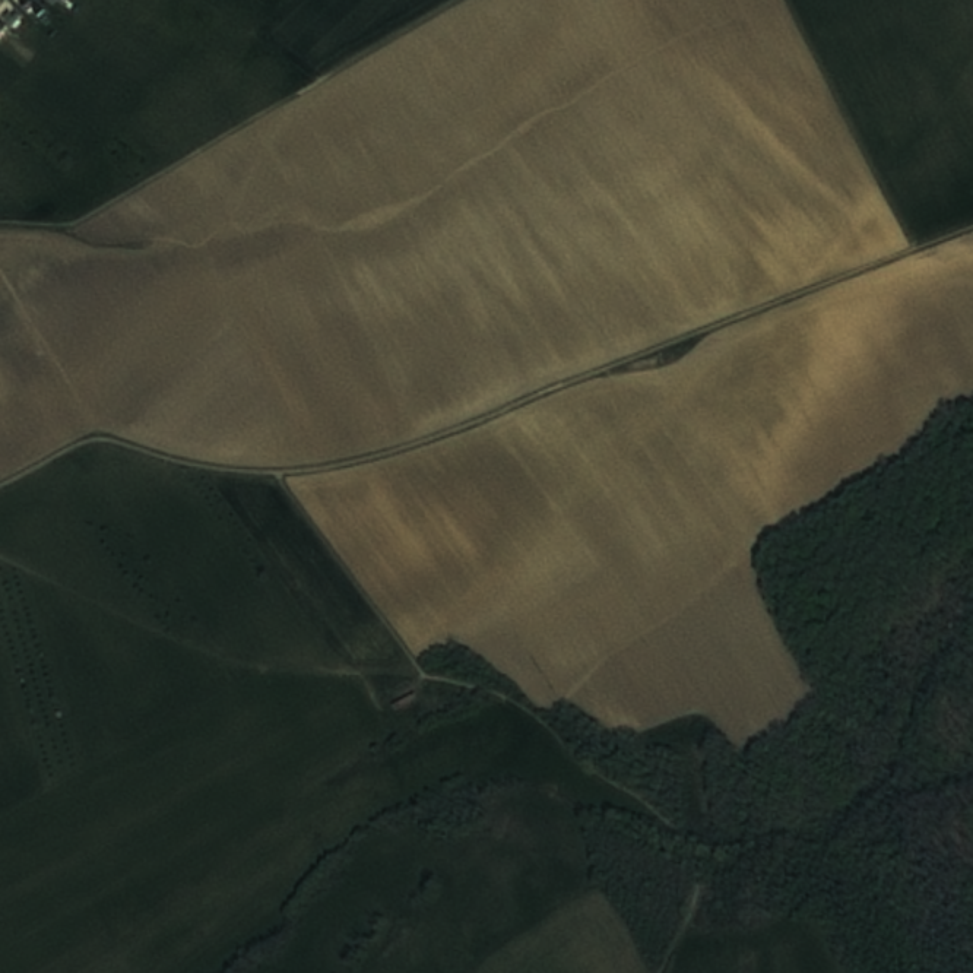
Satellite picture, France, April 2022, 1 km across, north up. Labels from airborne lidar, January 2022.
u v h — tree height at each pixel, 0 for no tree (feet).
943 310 0
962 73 0
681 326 0
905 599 81
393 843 0
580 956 0
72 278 0
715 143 0
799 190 0
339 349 0
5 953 0
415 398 0
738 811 69
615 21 0
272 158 0
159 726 0
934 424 44
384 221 0
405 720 0
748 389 0
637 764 59
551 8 0
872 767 75
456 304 0
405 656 0
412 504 0
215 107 0
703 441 0
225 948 0
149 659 0
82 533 0
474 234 0
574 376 0
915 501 78
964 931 53
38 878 0
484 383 0
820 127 0
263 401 0
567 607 0
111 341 0
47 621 0
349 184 0
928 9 0
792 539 68
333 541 0
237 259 0
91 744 0
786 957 0
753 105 0
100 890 0
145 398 0
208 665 0
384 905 0
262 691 0
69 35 0
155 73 0
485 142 0
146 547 0
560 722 27
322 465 0
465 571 0
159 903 0
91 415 0
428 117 0
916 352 0
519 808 0
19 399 0
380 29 0
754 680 0
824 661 65
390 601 0
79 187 0
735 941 0
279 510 0
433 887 54
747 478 0
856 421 0
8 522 0
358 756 0
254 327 0
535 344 0
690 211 0
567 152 0
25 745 0
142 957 0
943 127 0
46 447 0
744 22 0
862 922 31
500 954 0
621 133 0
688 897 36
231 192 0
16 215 0
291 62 0
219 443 0
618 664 0
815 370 0
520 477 0
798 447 0
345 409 0
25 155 0
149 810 0
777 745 62
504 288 0
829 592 69
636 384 0
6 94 0
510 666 0
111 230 0
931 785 44
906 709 65
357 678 0
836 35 0
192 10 0
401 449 0
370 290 0
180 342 0
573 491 0
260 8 0
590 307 0
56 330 0
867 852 49
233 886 0
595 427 0
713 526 0
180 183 0
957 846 86
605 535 0
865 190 0
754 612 0
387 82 0
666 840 60
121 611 0
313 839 0
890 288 0
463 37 0
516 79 0
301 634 0
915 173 0
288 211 0
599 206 0
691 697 0
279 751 0
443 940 0
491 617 0
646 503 0
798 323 0
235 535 0
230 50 0
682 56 0
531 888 0
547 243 0
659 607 0
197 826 0
